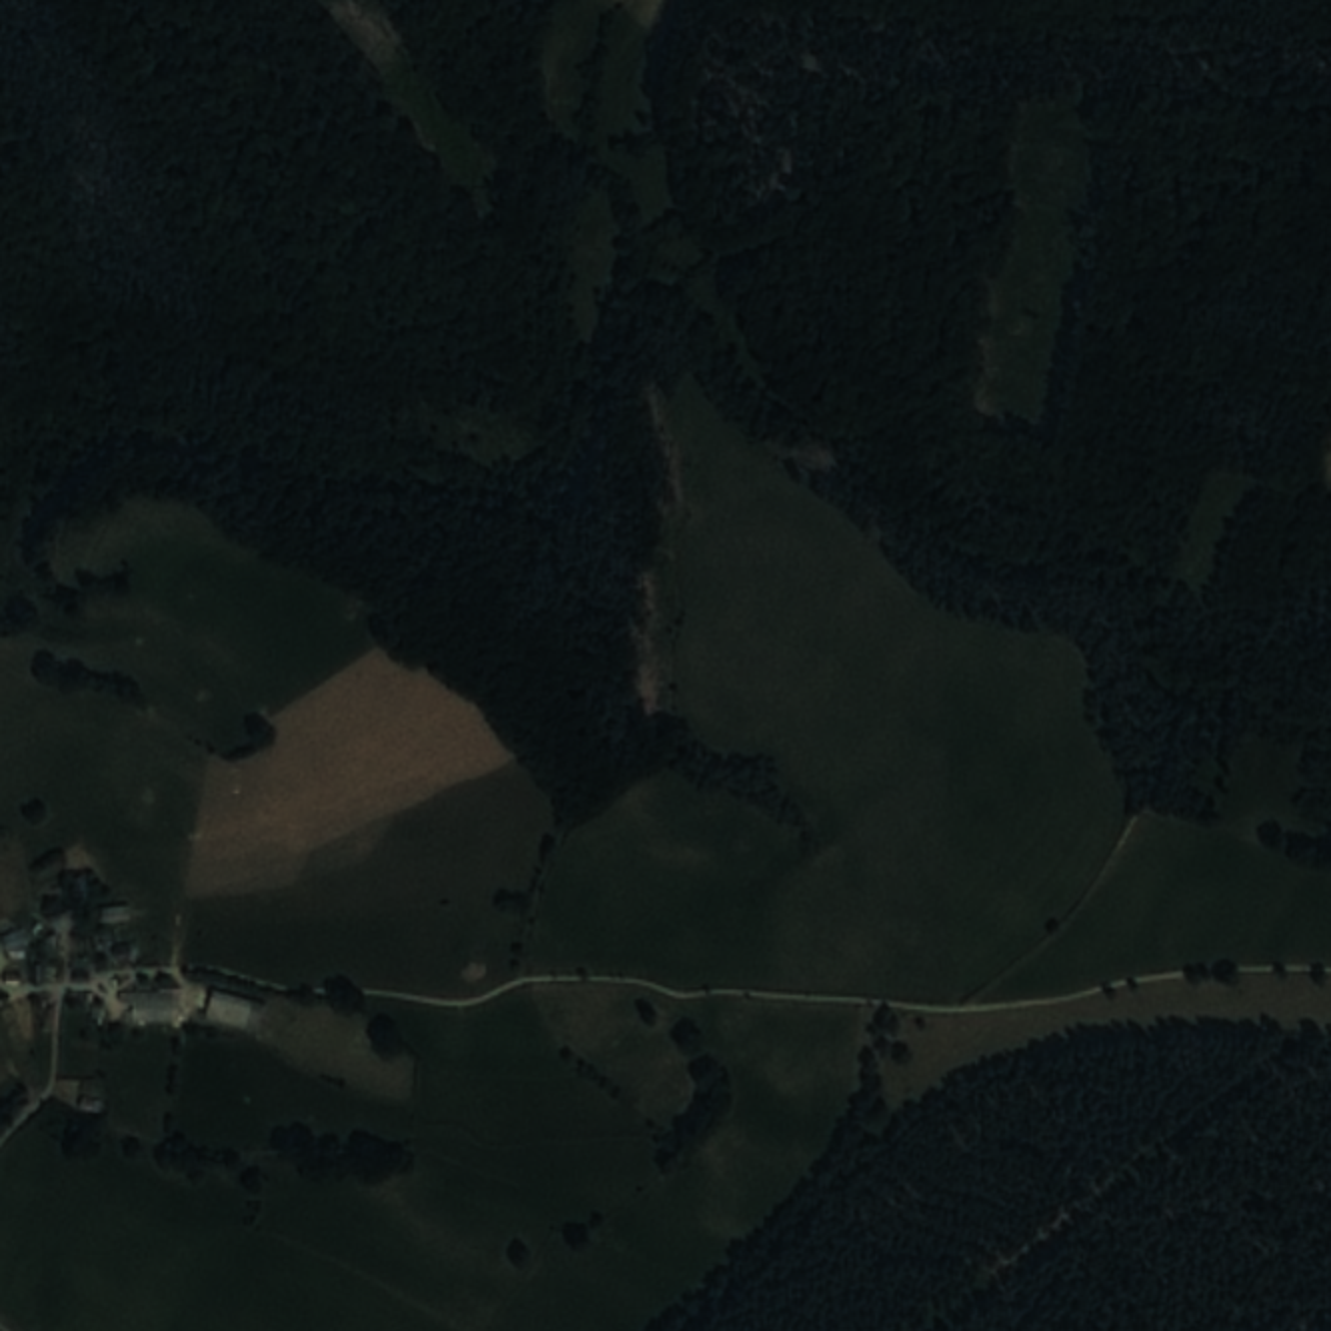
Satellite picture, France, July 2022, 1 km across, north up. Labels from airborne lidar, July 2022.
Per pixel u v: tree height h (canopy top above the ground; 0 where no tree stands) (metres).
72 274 23
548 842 13
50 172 27
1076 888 0
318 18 23
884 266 23
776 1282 30
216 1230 0
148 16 22
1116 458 20
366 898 0
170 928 0
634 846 0
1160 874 0
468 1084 0
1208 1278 21
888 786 0
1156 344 24
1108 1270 18
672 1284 0
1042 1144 17
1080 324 27
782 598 0
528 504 7
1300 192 26
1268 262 22
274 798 0
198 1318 0
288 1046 0
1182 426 21
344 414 19
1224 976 19
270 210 23
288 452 20
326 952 0
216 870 0
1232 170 24
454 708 0
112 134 26
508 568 25
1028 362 0
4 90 24
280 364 15
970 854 0
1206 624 16
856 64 20
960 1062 0
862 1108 16
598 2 0
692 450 0
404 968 0
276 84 23
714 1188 0
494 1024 0
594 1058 0
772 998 0
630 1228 0
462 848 0
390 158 20
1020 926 0
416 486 11
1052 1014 0
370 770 0
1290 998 0
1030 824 0
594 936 0
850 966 0
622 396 27
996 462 17
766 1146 0
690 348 15
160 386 24
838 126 20
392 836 0
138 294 19
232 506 22
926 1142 15
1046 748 0
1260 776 0
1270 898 0
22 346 23
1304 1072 22
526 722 23
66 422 12
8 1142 0
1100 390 25
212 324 18
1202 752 32
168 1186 0
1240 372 20
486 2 17
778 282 18
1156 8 21
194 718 0
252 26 23
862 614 0
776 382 26
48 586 17
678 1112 0
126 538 0
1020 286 0
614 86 0
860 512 19
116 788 0
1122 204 26
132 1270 0
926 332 23
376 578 23
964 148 26
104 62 22
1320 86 23
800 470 22
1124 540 10
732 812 0
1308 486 19
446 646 27
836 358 18
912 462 17
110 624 0
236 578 0
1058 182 0
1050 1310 25
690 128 24
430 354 23
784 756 0
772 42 19
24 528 0
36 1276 0
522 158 20
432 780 0
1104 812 0
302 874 0
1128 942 0
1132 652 19
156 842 0
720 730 0
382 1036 23
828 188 26
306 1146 24
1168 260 26
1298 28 23
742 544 0
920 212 24
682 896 0
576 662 31
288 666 0
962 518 16
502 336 21
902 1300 26
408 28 22
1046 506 13
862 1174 19
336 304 21
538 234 23
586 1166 0
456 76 21
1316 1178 24
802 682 0
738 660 0
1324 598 19
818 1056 0
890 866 0
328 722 0
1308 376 27
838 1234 27
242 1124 0
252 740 16
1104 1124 27
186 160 20
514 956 8
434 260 19
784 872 0
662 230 8
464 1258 0
